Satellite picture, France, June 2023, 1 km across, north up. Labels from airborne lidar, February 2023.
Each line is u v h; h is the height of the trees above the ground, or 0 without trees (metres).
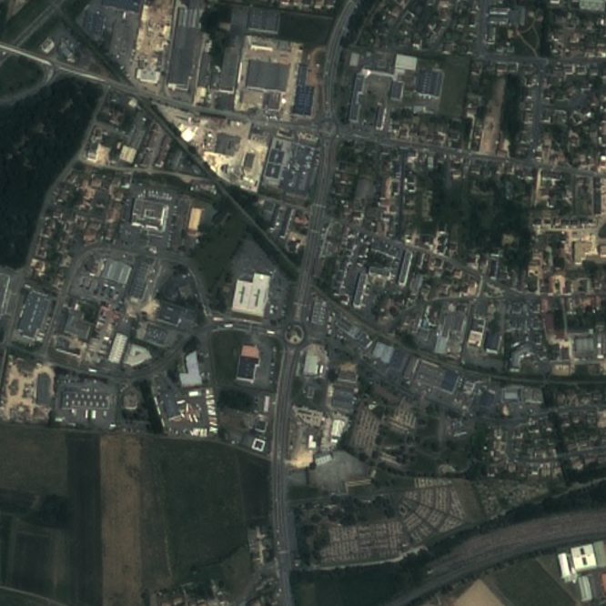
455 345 0
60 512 8
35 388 0
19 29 0
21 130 24
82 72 0
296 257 15
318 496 0
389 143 0
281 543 0
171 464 0
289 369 0
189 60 0
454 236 0
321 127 0
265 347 0
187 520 0
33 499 0
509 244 5
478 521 0
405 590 6
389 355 0
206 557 0
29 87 0
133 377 0
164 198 0
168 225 0
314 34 0
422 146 0
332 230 0
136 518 0
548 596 0
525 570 0
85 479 0
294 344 0
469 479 13
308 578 15
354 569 10
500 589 0
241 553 0
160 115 8
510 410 0
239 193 14
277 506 0
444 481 0
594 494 18
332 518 14
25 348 7
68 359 0
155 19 0
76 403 0
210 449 0
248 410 0
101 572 0
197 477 0
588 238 0
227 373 0
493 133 10
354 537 0
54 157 16
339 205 6
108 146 11
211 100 0
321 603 0
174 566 0
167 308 0
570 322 7
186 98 0
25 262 12
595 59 0
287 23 0
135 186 0
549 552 8
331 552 0
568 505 6
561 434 10
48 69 0
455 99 0
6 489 0
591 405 0
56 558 0
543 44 10
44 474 0
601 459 0
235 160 0
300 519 16
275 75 0
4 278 0
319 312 0
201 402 0
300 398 0
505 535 0
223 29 7
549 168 0
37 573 0
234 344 0
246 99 0
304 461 0
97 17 0
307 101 0
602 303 8
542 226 0
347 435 7
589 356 0
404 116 9
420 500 0
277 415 0
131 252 0
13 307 0
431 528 0
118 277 0
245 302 0
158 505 0
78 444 0
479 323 0
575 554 0
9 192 21
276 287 0
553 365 0
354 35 15
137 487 0
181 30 0
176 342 0
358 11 17
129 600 0
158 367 0
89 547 0
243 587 0
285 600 0
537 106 0
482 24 0
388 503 9
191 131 0
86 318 6
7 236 22
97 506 0
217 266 0
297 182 0
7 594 0
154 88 0
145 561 0
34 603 0
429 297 0
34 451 0
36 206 15
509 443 0
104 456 0
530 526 0
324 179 0
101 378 7
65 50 0
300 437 0
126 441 0
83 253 0
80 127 7
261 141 0
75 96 14
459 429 0
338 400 0
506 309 0
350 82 0
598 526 0
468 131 9
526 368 0
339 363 0
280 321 9
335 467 0
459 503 0
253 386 0
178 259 0
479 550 0
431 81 0
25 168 16
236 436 0
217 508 0
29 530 0
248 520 0
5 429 0
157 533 0
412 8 7
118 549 0
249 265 0
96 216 0
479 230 9
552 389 11
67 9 0
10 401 0
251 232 17
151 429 19
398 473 9
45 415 0
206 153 0
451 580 0
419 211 0
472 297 0
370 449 0
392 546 0
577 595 0
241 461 0
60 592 0
